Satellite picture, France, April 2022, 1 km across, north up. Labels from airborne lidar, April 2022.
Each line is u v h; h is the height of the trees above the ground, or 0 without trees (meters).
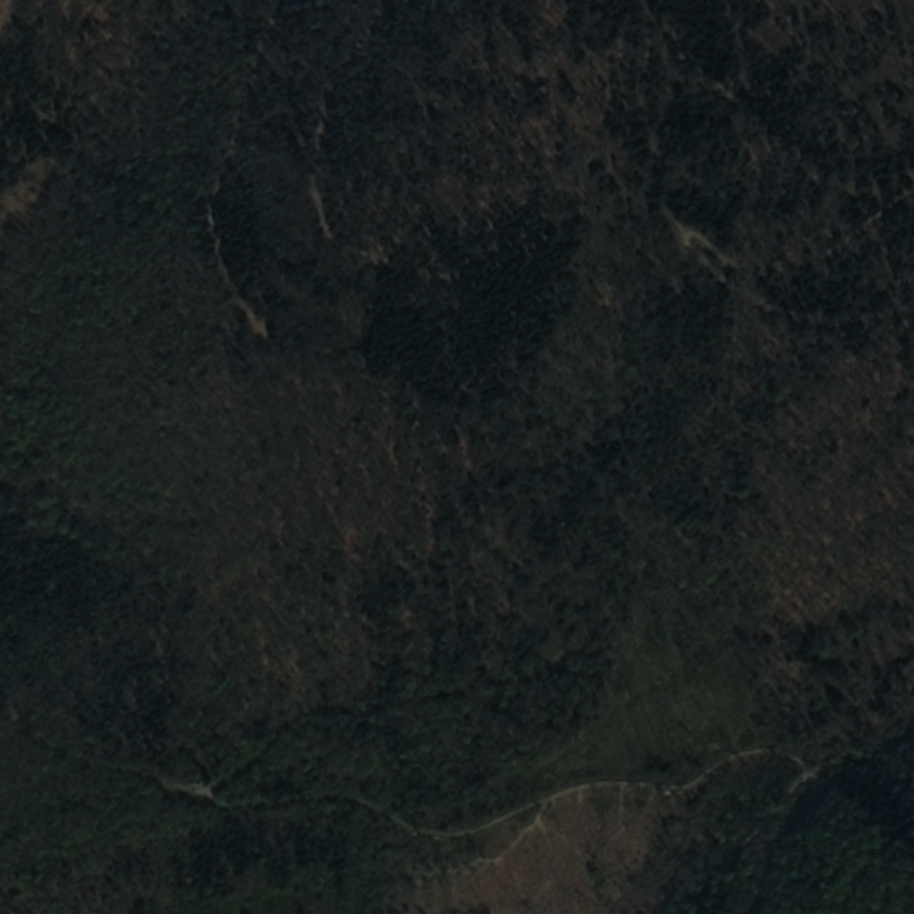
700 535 28
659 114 32
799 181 19
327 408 34
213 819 24
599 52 22
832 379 31
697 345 21
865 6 21
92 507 25
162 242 24
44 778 28
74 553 28
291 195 24
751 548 27
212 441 17
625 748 0
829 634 34
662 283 30
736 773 23
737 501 27
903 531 36
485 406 26
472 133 27
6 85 19
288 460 24
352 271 21
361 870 27
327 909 12
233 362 26
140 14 39
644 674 0
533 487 28
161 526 24
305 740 18
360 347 22
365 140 21
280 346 16
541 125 30
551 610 32
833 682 10
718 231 14
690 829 22
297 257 20
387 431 32
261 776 18
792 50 15
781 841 19
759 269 20
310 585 26
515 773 22
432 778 27
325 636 27
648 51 29
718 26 23
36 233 33
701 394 22
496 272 31
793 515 33
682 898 23
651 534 35
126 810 25
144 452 18
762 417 24
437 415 32
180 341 21
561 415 25
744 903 33
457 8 23
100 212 25
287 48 25
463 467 33
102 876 10
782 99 24
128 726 31
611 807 0
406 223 31
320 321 25
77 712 25
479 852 23
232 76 25
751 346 23
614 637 18
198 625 22
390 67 23
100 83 34
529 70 28
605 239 26
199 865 24
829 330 22
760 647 32
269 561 23
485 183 32
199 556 30
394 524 33
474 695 20
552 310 10
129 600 23
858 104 7
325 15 31
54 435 23
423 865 10
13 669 25
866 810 26
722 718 0
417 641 29
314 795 11
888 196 21
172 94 30
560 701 21
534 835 0
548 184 28
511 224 38
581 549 23
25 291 25
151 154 27
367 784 13
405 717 22
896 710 34
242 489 26
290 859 22
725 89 16
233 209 19
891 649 34
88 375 20
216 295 23
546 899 0
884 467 33
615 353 35
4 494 29
